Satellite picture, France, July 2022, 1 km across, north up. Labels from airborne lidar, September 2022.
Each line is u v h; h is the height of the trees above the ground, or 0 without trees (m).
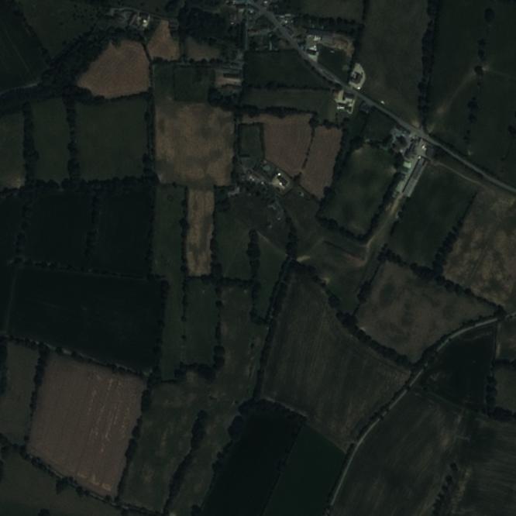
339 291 0
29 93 23
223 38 10
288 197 0
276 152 0
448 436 0
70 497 0
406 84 0
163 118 0
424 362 14
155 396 0
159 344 12
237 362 0
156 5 0
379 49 0
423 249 0
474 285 0
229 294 0
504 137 0
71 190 17
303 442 0
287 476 0
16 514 0
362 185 0
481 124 0
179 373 18
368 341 14
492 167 0
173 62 7
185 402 0
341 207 0
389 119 12
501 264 0
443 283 16
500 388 0
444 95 0
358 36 8
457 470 15
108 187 19
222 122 0
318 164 0
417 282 0
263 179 0
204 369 16
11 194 15
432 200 0
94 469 0
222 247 0
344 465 8
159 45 0
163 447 0
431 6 18
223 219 0
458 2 0
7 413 0
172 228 0
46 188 24
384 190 0
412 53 0
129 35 7
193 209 0
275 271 0
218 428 0
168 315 0
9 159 0
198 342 0
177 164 0
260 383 10
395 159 12
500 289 0
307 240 0
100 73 0
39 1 0
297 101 0
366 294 15
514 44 0
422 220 0
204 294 0
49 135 0
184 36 15
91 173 0
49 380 0
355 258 0
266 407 22
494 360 6
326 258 0
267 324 11
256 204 0
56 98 12
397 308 0
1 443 10
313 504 0
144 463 0
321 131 0
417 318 0
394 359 12
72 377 0
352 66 8
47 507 0
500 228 0
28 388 0
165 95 0
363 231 0
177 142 0
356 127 0
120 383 0
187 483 0
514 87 0
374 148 10
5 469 0
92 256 17
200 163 0
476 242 0
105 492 0
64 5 0
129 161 0
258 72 0
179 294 0
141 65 0
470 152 0
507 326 0
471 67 0
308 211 0
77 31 0
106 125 0
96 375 0
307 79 0
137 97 8
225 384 0
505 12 0
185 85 0
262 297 0
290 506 0
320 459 0
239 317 0
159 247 0
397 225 10
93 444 0
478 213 0
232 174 11
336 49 0
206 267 0
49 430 0
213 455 0
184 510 0
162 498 0
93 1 20
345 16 0
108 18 12
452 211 0
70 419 0
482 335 0
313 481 0
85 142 0
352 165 0
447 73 0
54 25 0
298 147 0
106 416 0
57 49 0
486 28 0
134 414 0
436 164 0
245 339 0
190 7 8
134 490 0
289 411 13
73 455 0
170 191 0
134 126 0
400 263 19
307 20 11
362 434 14
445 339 9
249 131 0
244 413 24
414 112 0
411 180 0
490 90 0
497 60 0
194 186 0
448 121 0
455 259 0
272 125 0
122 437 0
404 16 0
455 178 0
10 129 0
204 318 0
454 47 0
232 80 0
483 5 0
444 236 0
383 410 10
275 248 0
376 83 0
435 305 0
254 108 13
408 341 0
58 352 17
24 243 15
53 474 10
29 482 0
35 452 0
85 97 22
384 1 0
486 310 0
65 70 17
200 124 0
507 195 0
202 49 0
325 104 0
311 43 0
